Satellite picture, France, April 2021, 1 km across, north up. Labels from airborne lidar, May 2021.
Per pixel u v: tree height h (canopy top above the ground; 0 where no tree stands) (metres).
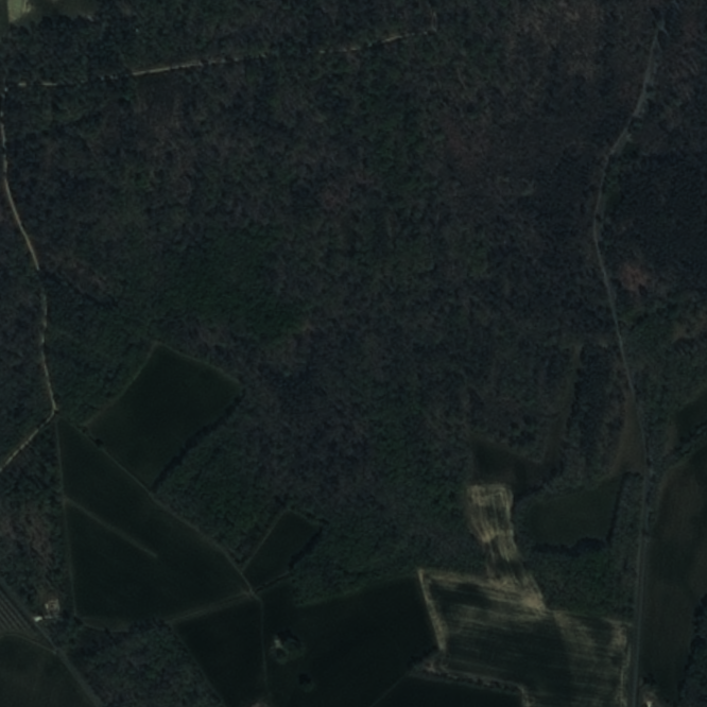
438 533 17
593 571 22
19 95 17
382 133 16
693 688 17
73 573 0
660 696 0
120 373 17
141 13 16
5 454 10
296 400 18
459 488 20
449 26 18
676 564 0
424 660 10
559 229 9
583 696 0
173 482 17
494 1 13
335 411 8
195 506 19
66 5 0
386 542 21
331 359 17
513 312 9
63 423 0
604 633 0
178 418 0
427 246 22
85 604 0
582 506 0
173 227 14
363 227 20
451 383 22
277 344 16
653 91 15
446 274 17
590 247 9
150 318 22
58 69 15
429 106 12
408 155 12
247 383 18
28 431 13
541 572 16
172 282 20
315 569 22
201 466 16
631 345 15
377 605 0
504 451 0
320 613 0
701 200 17
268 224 11
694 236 13
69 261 16
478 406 8
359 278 12
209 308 17
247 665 0
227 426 18
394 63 14
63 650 21
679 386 21
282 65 15
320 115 13
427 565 18
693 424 0
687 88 18
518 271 16
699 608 0
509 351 14
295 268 17
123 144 7
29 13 0
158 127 0
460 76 17
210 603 0
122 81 21
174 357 0
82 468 0
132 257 17
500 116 16
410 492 21
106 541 0
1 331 11
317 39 22
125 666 18
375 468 16
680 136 15
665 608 0
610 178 16
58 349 11
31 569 15
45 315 22
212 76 14
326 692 0
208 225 15
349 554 19
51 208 11
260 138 12
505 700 0
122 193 12
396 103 17
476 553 18
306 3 15
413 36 14
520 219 10
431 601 0
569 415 0
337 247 13
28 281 19
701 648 17
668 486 0
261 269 17
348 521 16
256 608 0
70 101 19
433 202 15
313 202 13
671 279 9
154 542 0
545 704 0
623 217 19
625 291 18
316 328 10
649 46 11
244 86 8
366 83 18
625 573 13
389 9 13
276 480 20
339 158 10
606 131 9
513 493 0
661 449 15
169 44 20
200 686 17
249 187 11
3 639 0
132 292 22
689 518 0
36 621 0
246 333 17
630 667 0
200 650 0
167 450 0
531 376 17
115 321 21
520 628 0
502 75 17
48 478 18
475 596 0
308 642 0
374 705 0
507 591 0
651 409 16
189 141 9
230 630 0
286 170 20
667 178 16
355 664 0
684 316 14
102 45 19
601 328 15
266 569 0
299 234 12
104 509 0
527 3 14
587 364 18
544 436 10
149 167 15
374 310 13
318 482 12
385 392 22
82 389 21
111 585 0
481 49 18
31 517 17
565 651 0
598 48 8
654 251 14
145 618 0
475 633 0
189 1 15
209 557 0
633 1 7
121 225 13
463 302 15
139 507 0
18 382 11
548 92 8
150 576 0
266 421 14
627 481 14
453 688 0
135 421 0
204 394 0
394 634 0
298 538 0
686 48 11
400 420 22
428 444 21
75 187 22
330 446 7
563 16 11
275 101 19
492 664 0
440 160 16
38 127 11
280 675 0
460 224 14
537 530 0
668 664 0
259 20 7
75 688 0
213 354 12
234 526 22
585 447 20
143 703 20
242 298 17
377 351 8
